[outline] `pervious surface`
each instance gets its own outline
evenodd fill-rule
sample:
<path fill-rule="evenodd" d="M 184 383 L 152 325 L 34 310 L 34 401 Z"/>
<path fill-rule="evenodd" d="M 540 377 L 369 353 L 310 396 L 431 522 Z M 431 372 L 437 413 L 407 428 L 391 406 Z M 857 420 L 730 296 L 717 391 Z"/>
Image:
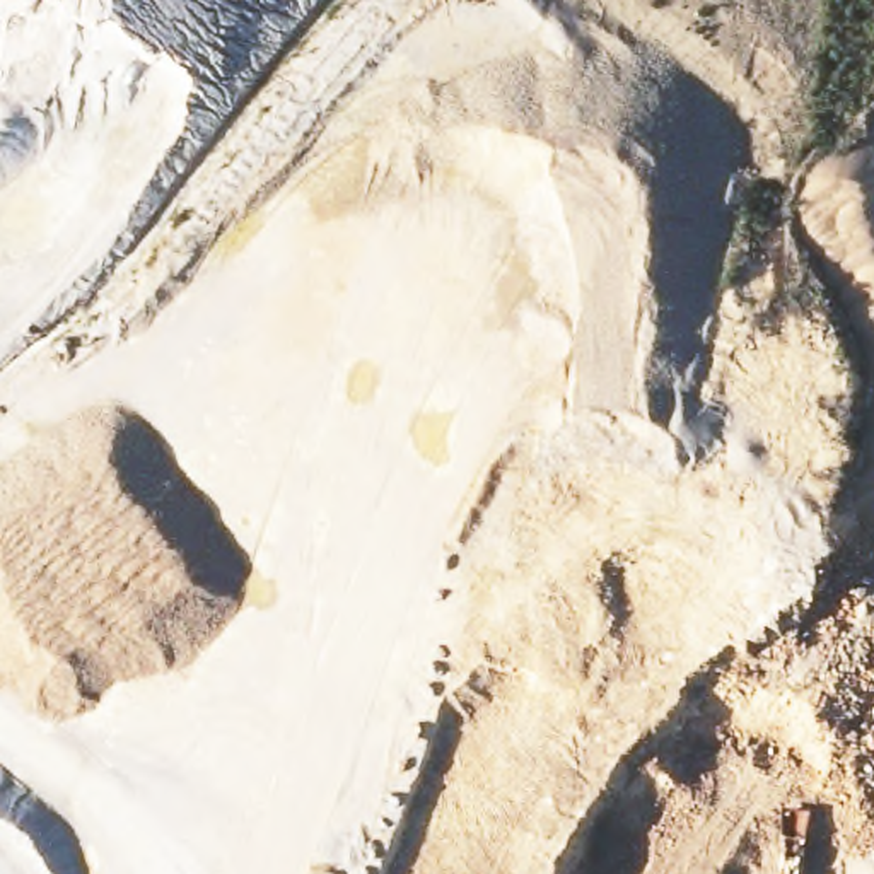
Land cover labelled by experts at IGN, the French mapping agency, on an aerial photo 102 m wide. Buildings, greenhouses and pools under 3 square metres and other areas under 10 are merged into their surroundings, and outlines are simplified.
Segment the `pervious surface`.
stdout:
<path fill-rule="evenodd" d="M 0 874 L 874 874 L 874 0 L 0 0 Z"/>

